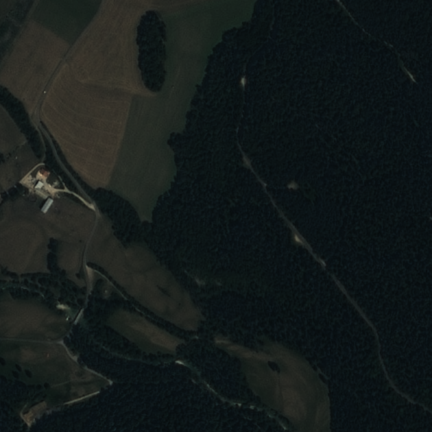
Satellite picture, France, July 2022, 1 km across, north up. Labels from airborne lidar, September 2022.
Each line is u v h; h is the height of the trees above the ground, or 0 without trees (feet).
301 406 0
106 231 0
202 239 42
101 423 35
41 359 0
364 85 59
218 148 58
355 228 47
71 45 0
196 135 66
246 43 33
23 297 26
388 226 50
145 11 0
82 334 33
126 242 43
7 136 0
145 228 56
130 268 0
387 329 62
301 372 0
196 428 77
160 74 41
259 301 63
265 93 48
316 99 59
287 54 64
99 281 20
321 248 74
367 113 78
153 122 0
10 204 0
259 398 53
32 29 0
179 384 60
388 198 56
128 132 0
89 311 60
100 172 0
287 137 46
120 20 0
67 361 0
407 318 57
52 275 22
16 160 0
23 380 0
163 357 39
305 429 0
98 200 56
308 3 44
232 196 60
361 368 34
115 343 80
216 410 94
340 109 51
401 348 72
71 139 0
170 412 94
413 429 53
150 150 0
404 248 33
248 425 71
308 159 81
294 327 25
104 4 0
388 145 52
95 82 0
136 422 90
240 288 95
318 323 56
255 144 40
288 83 61
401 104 18
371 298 34
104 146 0
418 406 58
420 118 104
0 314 0
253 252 56
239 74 70
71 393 0
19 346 0
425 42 52
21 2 0
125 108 0
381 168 60
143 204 0
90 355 75
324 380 94
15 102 26
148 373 77
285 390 0
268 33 39
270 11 98
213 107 61
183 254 49
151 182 0
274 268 29
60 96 0
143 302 0
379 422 60
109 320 0
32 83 0
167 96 0
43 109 0
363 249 52
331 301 18
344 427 56
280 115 54
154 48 54
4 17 0
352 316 58
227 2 0
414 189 82
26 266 0
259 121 64
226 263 62
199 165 56
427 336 49
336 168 104
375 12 81
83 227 0
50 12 0
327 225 84
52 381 0
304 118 52
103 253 0
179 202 64
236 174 83
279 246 83
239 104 37
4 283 26
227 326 79
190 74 0
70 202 0
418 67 64
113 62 0
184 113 0
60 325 0
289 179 69
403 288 62
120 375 84
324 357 24
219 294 45
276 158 62
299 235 0
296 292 76
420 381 60
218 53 42
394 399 82
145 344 0
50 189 0
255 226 88
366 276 57
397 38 77
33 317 0
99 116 0
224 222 114
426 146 86
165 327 53
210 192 60
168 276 0
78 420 85
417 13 47
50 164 28
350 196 52
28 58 0
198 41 0
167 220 57
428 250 54
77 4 0
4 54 0
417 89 90
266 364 0
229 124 71
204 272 24
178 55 0
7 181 0
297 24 23
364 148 24
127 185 0
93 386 0
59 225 0
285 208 56
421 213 54
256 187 84
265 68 52
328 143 46
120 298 17
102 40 0
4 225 0
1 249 0
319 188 85
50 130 0
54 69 0
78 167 0
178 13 0
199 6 0
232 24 0
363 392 88
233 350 0
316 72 42
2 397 56
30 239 0
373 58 43
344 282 28
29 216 0
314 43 68
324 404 0
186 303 0
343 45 61
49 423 72
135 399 89
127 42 0
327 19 53
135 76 0
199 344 66
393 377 54
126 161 0
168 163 0
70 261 0
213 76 68
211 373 79
